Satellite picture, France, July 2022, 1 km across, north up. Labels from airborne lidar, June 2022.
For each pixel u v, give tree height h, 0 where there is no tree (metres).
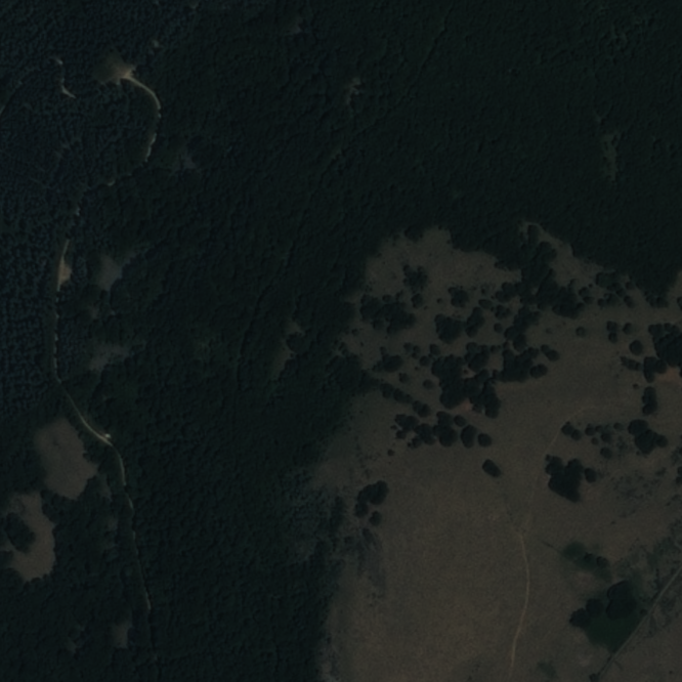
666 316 0
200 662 24
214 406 19
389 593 0
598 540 0
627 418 0
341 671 0
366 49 23
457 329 12
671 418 0
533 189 12
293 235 16
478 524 0
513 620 0
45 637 24
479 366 10
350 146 16
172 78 14
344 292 16
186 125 16
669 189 15
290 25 15
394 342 0
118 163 14
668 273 16
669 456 0
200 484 19
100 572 19
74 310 12
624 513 0
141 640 26
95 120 18
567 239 12
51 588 19
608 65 16
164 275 7
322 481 0
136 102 18
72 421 15
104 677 19
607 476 0
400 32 19
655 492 0
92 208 21
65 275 0
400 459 0
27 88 14
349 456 0
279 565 12
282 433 21
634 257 16
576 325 0
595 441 7
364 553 0
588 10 13
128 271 14
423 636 0
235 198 23
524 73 18
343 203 12
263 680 18
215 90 8
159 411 12
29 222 21
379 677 0
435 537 0
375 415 0
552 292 13
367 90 14
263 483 9
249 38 13
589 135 14
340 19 21
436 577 0
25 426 13
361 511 9
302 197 15
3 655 17
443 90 16
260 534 9
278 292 14
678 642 0
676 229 16
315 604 9
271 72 15
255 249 18
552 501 0
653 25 15
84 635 13
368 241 15
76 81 22
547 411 0
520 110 16
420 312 0
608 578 0
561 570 0
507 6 14
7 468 13
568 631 0
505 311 8
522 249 10
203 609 16
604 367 0
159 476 18
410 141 13
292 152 19
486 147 14
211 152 19
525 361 11
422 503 0
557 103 13
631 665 0
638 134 15
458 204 15
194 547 20
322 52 14
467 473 0
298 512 7
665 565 0
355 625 0
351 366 15
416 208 15
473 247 10
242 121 22
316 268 15
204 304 16
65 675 19
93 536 12
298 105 23
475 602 0
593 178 15
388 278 0
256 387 18
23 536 19
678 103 16
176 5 25
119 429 9
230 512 16
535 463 0
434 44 11
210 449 20
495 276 0
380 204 15
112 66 0
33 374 23
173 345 11
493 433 0
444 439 12
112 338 18
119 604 21
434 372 13
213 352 6
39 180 17
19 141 17
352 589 0
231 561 21
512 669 0
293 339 16
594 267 0
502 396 0
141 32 22
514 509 0
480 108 14
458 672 0
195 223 23
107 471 12
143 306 11
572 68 15
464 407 0
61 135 21
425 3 15
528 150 12
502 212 15
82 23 19
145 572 7
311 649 10
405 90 13
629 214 15
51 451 0
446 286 0
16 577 13
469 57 15
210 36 16
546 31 12
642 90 12
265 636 15
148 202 20
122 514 17
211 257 19
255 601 16
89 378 16
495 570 0
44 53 22
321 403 16
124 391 6
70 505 19
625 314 0
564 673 0
